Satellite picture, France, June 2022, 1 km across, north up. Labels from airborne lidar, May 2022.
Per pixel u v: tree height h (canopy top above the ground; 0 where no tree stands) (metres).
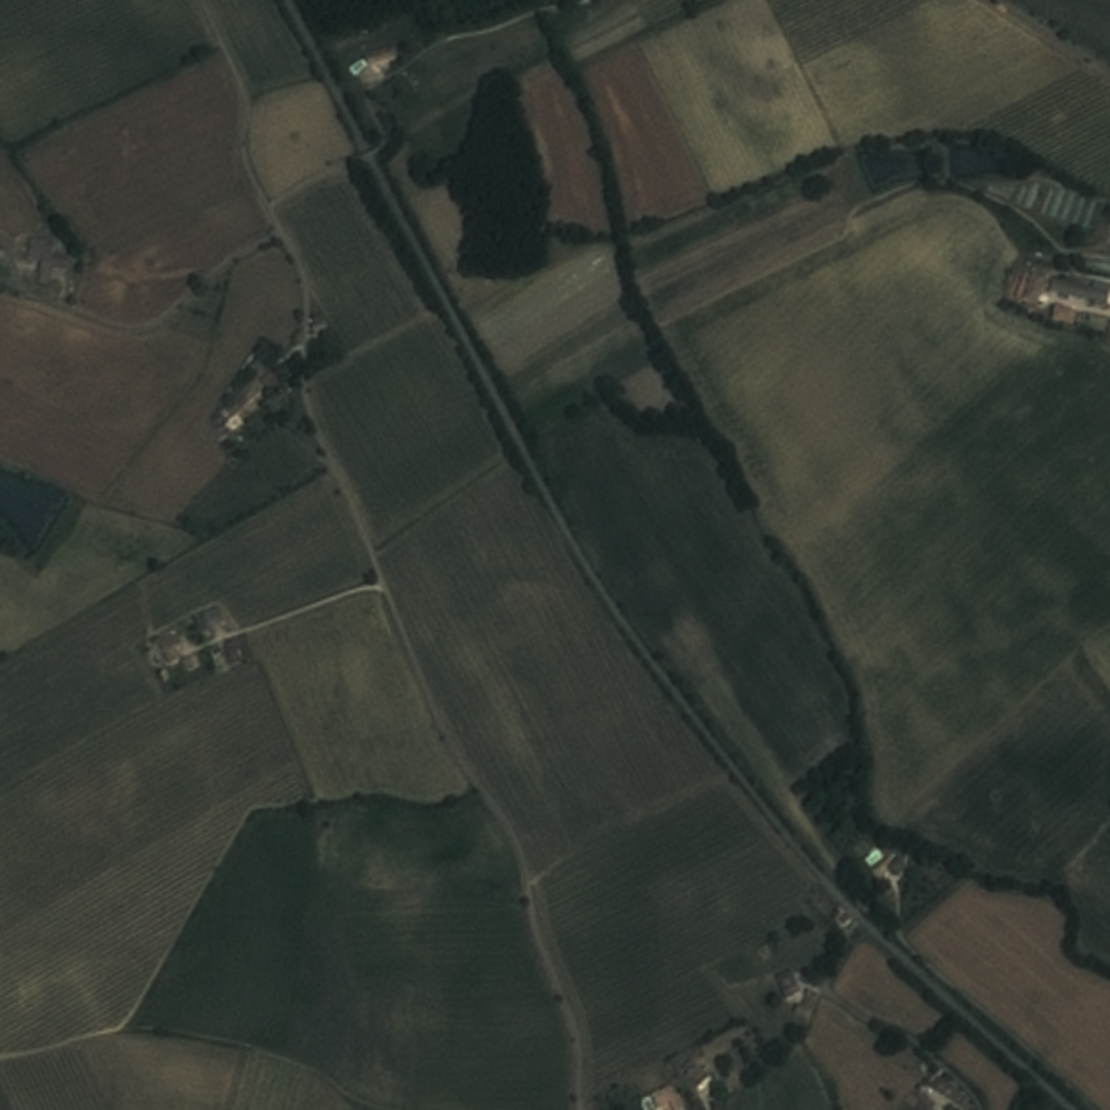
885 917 13
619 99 0
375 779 0
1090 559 0
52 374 0
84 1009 0
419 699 0
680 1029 0
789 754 0
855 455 0
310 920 0
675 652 0
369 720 0
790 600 0
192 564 0
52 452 0
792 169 15
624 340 0
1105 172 0
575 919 0
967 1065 0
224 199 0
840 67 0
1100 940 0
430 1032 0
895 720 0
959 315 0
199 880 0
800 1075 0
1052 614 0
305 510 0
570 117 0
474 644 0
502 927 0
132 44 0
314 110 0
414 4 18
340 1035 0
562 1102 0
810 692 0
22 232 0
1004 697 0
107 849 0
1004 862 0
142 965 0
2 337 0
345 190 0
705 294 0
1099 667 0
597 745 0
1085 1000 0
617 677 0
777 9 0
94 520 0
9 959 0
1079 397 0
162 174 0
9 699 0
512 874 0
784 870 0
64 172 0
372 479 0
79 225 0
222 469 0
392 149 10
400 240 10
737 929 0
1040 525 0
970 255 0
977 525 0
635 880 0
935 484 0
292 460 0
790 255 0
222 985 0
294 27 9
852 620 0
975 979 0
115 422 0
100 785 0
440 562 0
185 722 0
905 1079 0
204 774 0
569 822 0
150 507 0
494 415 9
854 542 0
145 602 0
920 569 0
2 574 0
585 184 0
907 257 0
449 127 0
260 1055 0
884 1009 0
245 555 0
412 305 0
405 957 0
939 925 0
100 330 0
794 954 0
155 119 0
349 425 0
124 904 0
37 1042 0
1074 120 0
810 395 0
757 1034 7
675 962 0
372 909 0
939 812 0
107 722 0
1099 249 0
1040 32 0
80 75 0
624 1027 0
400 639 0
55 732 0
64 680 0
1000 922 0
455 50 0
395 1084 0
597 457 0
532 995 0
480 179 23
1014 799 0
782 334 0
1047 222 0
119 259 0
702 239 0
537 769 0
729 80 0
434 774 0
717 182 0
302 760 0
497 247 10
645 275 0
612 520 0
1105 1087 0
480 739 0
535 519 0
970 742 0
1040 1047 0
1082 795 0
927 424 0
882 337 0
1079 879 0
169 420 0
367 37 0
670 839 0
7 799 0
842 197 0
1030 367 0
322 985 0
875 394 0
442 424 0
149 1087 0
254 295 0
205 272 0
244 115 0
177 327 0
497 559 0
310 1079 0
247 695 0
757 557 0
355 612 0
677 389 25
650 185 0
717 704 0
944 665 0
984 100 0
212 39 0
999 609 0
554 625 0
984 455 0
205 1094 0
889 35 0
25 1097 0
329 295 0
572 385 0
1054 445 0
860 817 15
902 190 0
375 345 0
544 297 0
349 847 0
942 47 0
